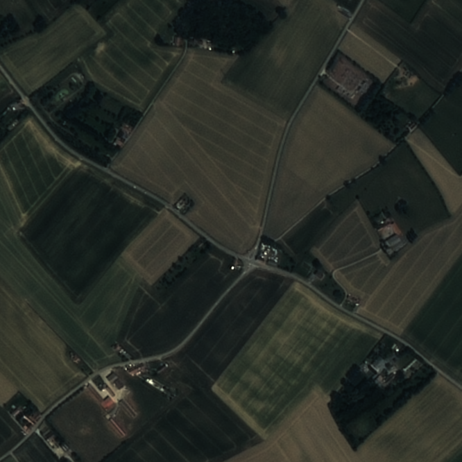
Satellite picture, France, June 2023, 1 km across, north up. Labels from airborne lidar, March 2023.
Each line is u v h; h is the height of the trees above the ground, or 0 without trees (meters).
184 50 0
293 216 0
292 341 0
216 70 0
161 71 0
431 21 0
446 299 0
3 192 0
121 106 0
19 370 0
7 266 0
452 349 0
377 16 0
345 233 0
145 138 0
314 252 0
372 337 0
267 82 0
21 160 0
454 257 0
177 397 0
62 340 0
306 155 0
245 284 0
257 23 23
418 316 0
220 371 0
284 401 0
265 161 0
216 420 0
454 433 0
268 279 0
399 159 0
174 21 7
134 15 0
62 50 0
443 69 0
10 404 0
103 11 0
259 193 0
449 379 0
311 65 0
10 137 0
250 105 0
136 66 0
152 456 0
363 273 0
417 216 0
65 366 0
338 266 0
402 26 0
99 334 0
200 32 22
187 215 0
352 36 0
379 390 10
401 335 0
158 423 0
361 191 0
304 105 0
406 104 0
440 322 0
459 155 0
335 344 0
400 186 0
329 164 0
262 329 0
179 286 0
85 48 0
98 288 0
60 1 0
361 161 0
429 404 0
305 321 0
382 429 0
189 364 0
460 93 0
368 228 0
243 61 0
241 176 0
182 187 0
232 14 25
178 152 0
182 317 0
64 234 0
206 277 0
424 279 0
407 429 0
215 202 0
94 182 0
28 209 0
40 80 0
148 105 0
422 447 0
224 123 0
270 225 0
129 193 0
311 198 0
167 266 0
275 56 0
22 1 0
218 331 0
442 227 0
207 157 0
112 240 0
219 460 0
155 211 0
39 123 0
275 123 0
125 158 0
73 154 0
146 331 0
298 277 0
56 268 0
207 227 0
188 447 0
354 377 25
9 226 0
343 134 0
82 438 0
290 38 0
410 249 0
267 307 0
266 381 0
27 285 0
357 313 0
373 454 0
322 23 0
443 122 0
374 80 10
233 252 0
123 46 0
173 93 0
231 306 0
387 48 0
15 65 0
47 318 0
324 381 0
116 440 0
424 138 0
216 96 0
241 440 0
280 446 0
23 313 0
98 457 0
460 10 0
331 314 0
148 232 0
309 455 0
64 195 0
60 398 0
